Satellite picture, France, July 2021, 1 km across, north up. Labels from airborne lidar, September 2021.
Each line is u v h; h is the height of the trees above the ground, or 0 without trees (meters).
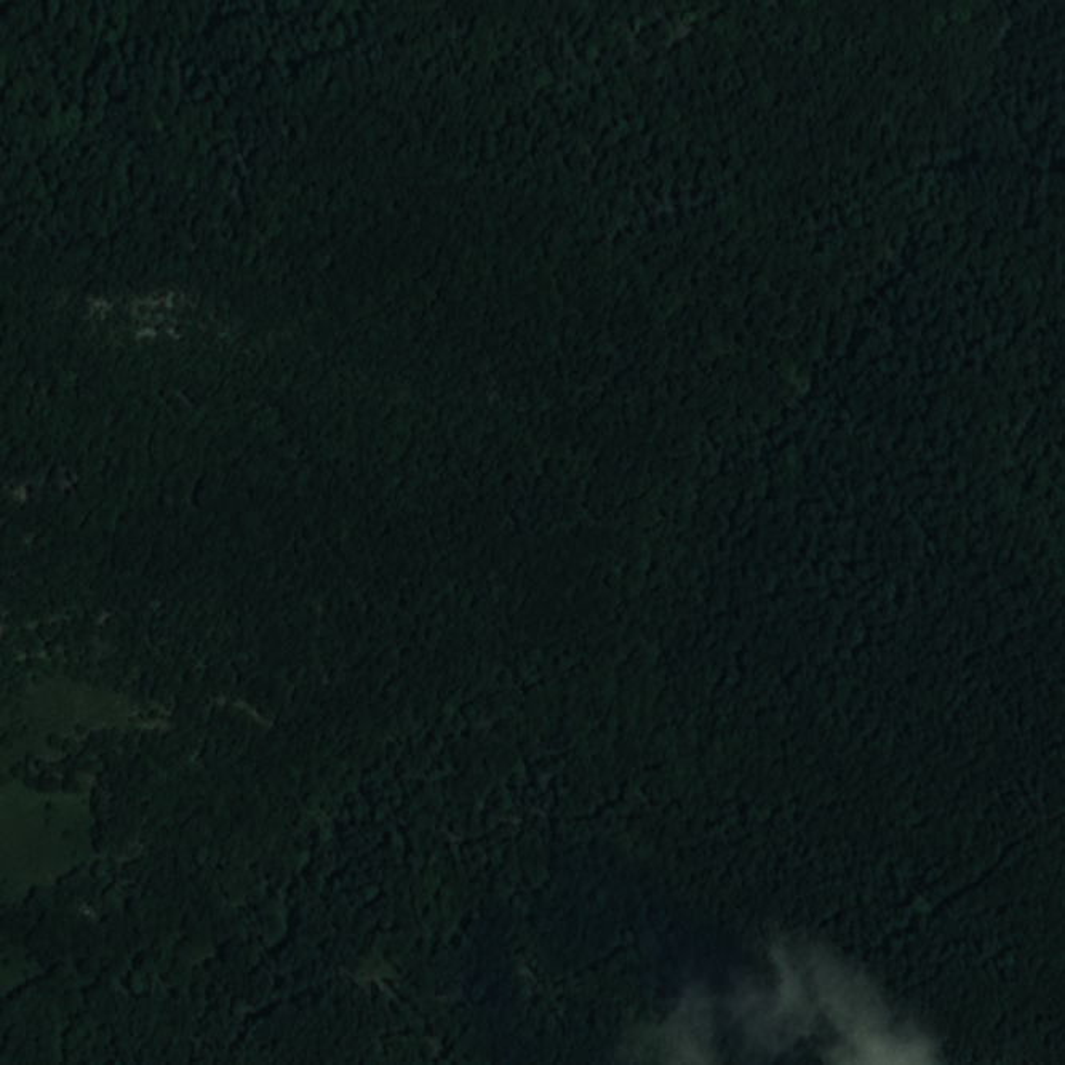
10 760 0
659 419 27
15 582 18
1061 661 29
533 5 23
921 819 26
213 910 30
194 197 25
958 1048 25
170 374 20
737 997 26
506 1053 29
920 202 33
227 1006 27
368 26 35
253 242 22
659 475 18
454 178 26
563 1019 27
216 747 19
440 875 28
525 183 21
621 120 28
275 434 22
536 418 20
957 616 29
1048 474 25
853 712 25
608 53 24
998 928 28
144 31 22
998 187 21
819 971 16
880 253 35
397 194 25
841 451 27
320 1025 29
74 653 18
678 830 26
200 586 19
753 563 28
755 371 29
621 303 24
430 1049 29
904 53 14
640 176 36
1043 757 17
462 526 23
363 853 21
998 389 27
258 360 16
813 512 25
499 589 26
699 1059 28
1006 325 27
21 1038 28
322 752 23
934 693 30
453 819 24
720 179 29
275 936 30
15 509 22
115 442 29
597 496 24
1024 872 26
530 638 20
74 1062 28
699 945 27
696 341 22
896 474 28
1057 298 25
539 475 8
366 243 21
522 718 25
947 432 21
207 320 12
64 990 18
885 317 22
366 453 19
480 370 11
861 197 37
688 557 21
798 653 32
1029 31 16
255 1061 29
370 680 24
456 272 25
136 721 10
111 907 26
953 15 19
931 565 20
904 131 24
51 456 23
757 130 28
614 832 29
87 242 24
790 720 26
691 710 24
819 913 27
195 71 23
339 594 23
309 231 24
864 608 29
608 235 20
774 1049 25
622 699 30
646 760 24
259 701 23
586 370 19
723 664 30
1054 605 26
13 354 21
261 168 26
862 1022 22
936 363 24
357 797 23
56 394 26
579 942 35
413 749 25
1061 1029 24
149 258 19
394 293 19
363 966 30
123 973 21
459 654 23
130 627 21
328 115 25
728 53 29
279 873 28
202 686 19
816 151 32
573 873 29
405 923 29
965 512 28
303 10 21
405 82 13
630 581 24
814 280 26
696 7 23
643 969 27
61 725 0
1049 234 27
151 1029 31
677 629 24
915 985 24
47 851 0
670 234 28
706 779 30
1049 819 7
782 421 27
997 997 26
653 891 24
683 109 30
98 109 40
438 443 26
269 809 16
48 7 35
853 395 23
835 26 25
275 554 18
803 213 30
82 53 33
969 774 20
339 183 19
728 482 26
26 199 16
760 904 25
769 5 26
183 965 23
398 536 22
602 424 18
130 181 21
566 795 25
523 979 23
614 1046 28
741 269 20
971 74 19
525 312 26
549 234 18
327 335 14
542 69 29
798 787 31
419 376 16
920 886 16
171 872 25
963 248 30
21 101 26
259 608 20
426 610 10
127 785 26
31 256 24
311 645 25
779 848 22
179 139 37
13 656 21
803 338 16
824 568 28
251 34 11
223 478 22
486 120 29
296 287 25
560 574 19
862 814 27
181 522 26
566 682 20
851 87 20
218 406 20
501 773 29
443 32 27
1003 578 31
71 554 17
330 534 27
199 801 23
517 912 30
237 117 29
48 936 20
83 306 14
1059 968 24
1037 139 11
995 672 25
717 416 24
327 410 19
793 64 14
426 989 28
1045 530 26
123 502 30
